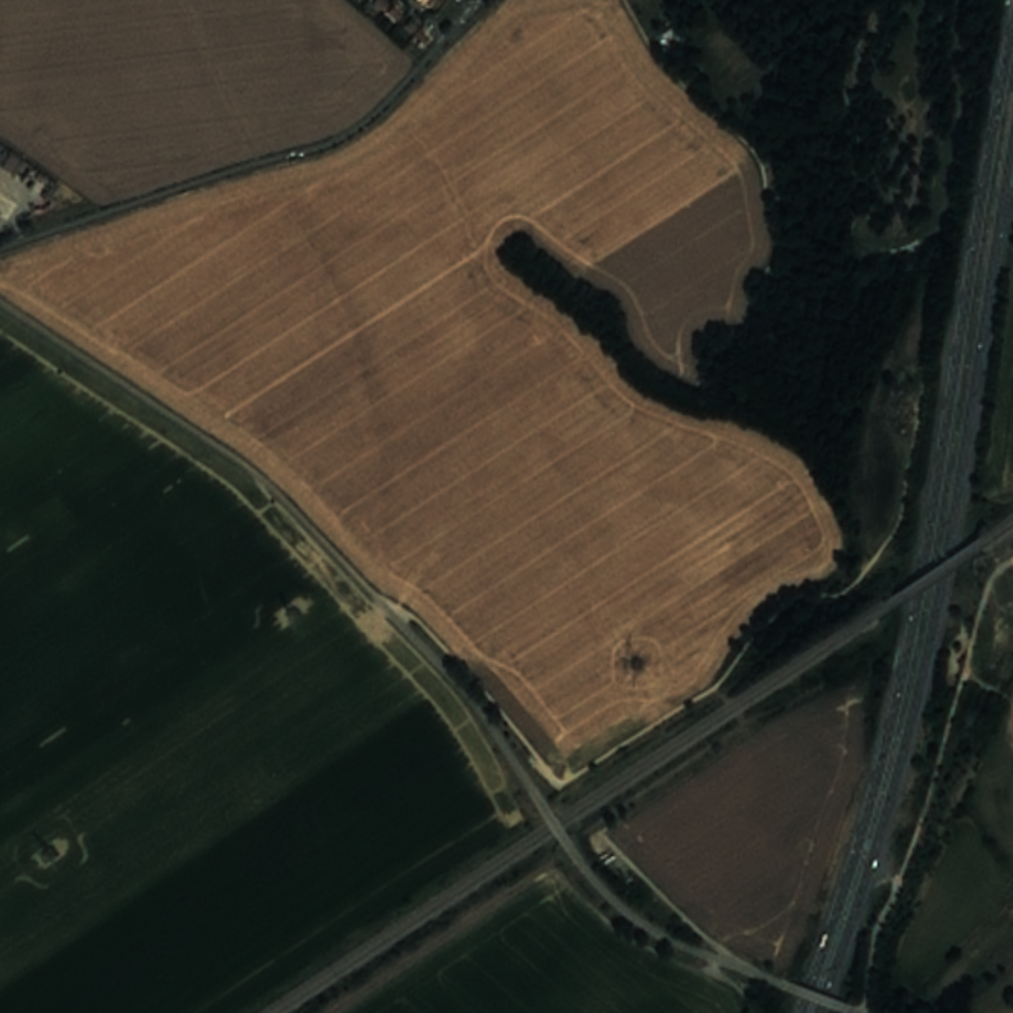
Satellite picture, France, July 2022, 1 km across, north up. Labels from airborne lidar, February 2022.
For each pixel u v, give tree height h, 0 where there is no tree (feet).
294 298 0
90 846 0
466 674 70
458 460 0
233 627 0
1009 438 0
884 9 38
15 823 0
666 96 0
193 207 0
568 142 0
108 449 0
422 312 0
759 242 0
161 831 0
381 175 0
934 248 61
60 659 0
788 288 70
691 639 0
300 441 0
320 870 0
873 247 0
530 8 0
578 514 0
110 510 0
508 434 0
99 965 0
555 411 0
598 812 0
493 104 0
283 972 0
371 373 0
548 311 0
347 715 0
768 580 0
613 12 0
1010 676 0
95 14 0
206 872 0
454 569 0
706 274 0
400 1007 0
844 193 51
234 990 0
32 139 0
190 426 0
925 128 0
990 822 0
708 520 0
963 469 0
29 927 0
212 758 0
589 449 0
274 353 0
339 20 0
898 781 0
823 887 0
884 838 0
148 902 0
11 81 0
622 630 0
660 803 0
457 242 0
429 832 0
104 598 0
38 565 0
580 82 0
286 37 0
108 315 0
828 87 53
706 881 0
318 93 0
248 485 0
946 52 34
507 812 0
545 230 0
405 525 0
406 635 0
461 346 0
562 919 0
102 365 0
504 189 0
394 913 0
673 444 0
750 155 0
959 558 0
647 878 0
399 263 0
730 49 0
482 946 0
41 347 0
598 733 0
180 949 0
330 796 0
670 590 0
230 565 0
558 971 0
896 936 20
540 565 0
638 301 0
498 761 0
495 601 0
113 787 0
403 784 0
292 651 0
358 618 0
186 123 0
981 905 0
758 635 29
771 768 0
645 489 0
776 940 0
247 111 0
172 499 0
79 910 0
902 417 0
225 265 0
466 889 0
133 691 0
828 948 0
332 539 0
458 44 0
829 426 40
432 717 0
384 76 0
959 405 0
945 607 0
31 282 0
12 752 0
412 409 0
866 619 0
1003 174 0
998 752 0
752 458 0
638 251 0
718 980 0
